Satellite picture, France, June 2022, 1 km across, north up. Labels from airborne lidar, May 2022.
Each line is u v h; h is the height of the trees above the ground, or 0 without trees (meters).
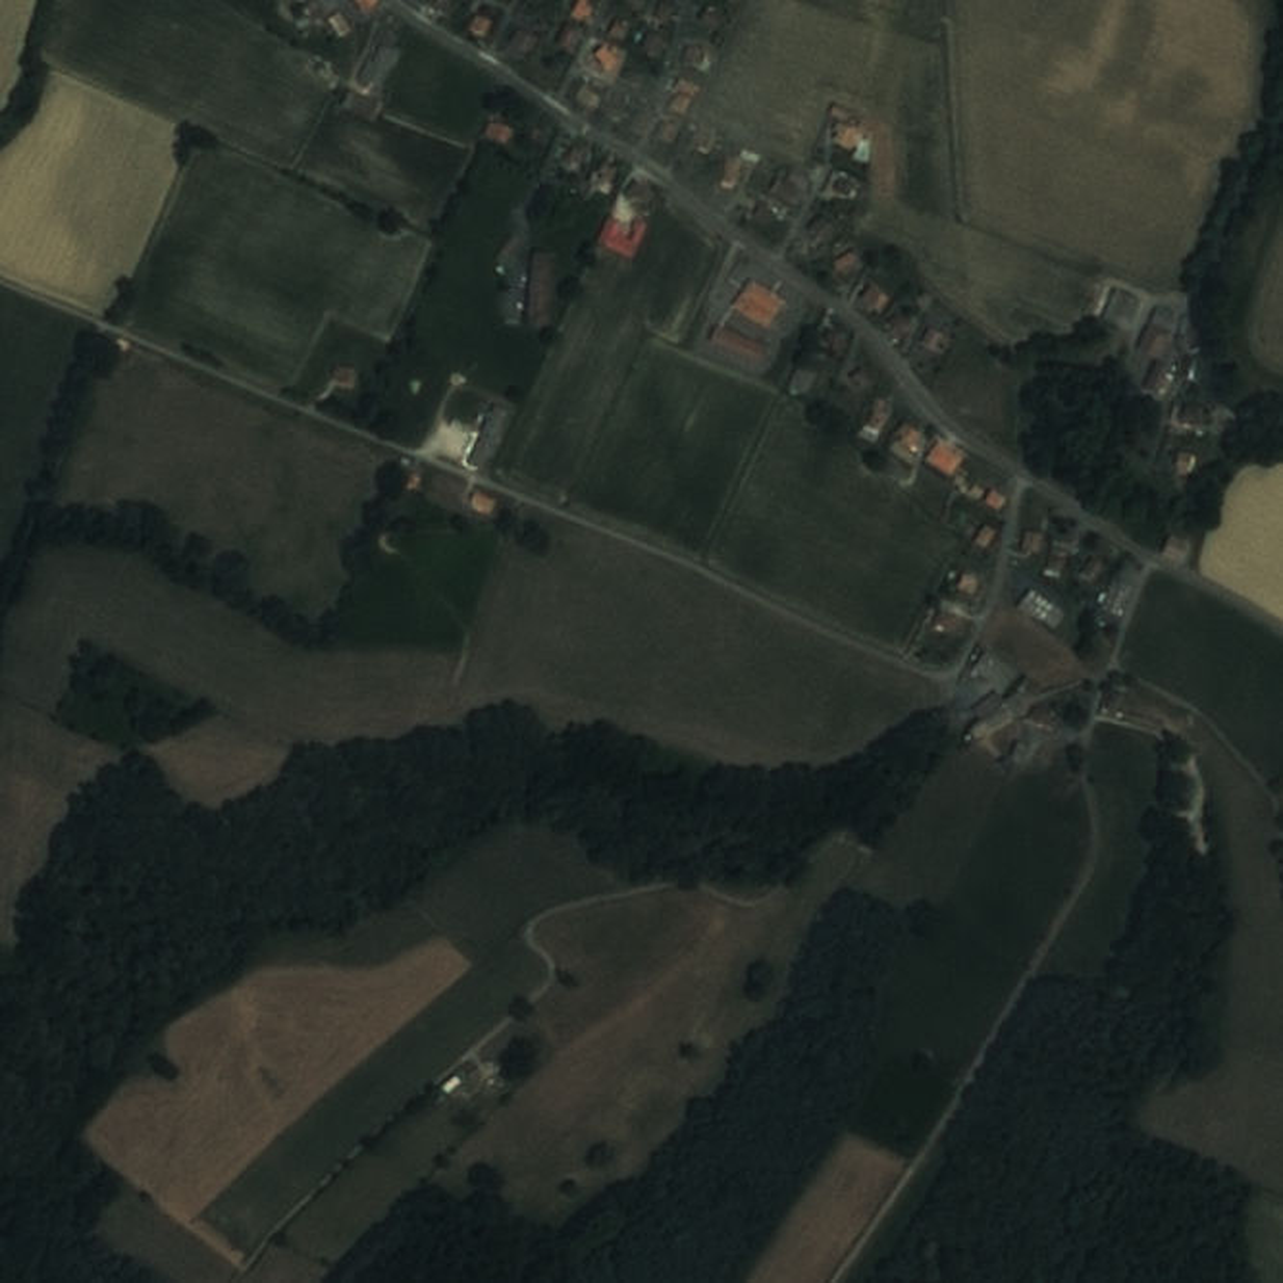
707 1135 17
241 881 18
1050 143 0
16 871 0
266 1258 0
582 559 0
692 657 0
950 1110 0
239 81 0
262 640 0
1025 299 0
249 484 0
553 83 0
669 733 0
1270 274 0
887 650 0
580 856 0
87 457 0
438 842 23
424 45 0
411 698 0
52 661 0
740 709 0
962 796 0
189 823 16
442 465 0
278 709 0
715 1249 14
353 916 13
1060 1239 13
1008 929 0
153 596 0
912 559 0
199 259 0
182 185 0
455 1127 0
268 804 18
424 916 0
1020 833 0
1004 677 0
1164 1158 9
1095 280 0
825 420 21
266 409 0
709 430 0
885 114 0
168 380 0
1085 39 0
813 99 0
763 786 22
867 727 0
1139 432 18
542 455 0
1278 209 0
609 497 0
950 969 0
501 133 0
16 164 0
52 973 20
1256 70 0
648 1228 19
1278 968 0
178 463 0
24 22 0
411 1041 0
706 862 21
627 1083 0
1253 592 0
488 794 31
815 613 0
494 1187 28
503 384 0
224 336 0
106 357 23
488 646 0
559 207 21
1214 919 25
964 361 0
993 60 0
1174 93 0
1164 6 0
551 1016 0
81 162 0
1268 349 0
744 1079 15
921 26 0
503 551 0
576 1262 22
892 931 16
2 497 0
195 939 21
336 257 0
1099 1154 24
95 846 23
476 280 0
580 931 0
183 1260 0
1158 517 20
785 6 0
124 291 11
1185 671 0
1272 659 0
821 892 0
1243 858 0
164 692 0
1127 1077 9
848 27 0
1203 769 0
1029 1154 20
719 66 0
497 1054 0
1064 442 30
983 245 0
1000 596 0
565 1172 0
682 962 0
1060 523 12
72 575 0
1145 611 0
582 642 0
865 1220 0
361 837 30
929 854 0
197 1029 0
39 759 0
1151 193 0
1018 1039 14
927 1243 21
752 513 0
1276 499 0
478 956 0
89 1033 14
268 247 0
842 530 0
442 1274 29
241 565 24
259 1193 0
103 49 0
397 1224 19
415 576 0
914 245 0
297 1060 0
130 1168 0
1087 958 0
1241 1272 9
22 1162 21
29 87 8
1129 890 0
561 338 12
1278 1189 0
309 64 0
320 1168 0
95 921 7
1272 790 8
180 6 0
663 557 0
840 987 25
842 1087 16
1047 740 0
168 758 0
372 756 23
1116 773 0
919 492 0
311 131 0
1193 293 10
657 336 0
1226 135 0
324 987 0
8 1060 12
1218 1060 23
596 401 0
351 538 0
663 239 0
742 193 0
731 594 0
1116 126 0
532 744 26
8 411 0
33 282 0
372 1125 0
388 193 0
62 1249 20
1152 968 28
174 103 0
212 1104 0
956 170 0
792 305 0
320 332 0
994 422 0
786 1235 0
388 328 0
